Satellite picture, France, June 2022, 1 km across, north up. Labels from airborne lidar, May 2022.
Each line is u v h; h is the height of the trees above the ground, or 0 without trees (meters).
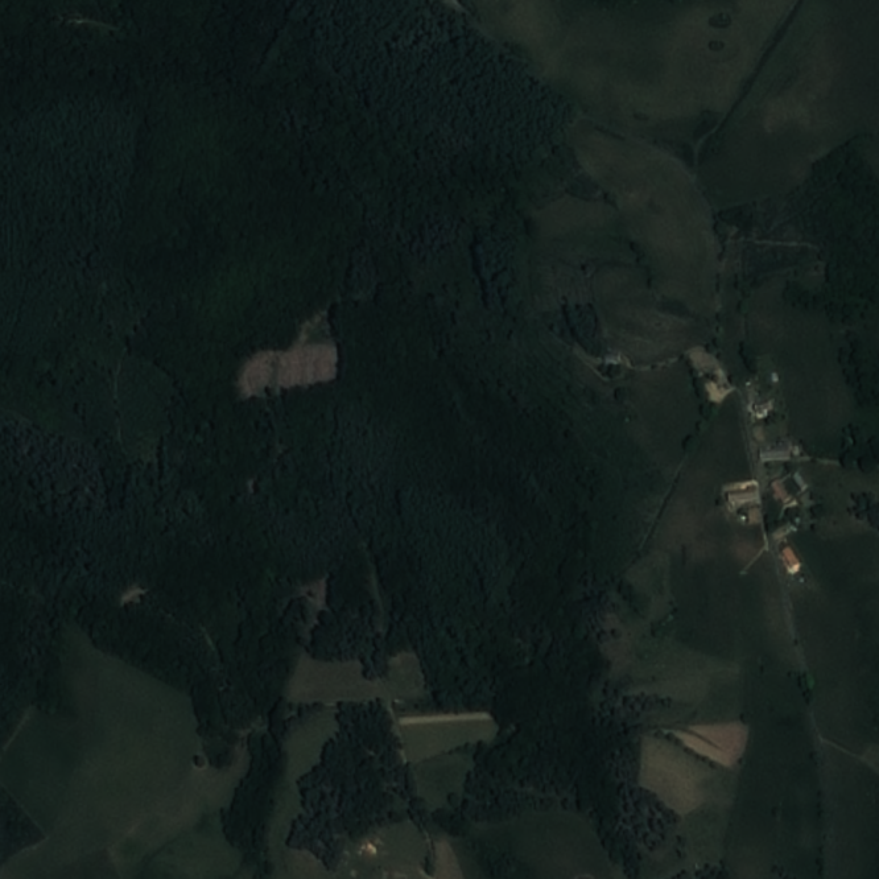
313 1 37
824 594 0
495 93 33
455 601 13
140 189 23
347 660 18
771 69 0
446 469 25
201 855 0
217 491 25
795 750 0
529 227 13
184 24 29
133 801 0
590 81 0
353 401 18
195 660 21
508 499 22
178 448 23
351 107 15
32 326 14
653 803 17
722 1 0
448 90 29
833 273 13
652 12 0
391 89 31
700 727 0
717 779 0
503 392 20
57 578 26
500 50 11
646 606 0
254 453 14
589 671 16
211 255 17
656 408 0
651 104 0
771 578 0
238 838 13
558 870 0
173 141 25
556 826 0
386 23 33
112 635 13
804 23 0
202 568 27
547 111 33
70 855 0
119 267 22
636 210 0
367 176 20
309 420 16
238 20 26
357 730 17
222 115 23
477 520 12
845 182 9
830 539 0
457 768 0
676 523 0
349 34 34
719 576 0
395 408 21
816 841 0
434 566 22
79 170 31
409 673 0
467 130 32
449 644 11
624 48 0
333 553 17
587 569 18
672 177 0
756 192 0
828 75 0
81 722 0
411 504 33
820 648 0
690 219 0
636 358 0
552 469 22
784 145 0
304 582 18
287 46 28
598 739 20
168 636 17
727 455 0
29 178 27
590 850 0
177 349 28
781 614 0
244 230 31
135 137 25
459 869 0
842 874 0
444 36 22
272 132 23
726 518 0
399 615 12
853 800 0
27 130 28
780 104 0
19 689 30
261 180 37
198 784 0
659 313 0
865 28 0
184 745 0
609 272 0
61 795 0
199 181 24
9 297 14
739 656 0
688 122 0
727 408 0
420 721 0
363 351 21
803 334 0
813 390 0
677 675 0
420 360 27
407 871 0
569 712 25
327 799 21
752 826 0
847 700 0
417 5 25
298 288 18
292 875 0
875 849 0
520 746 25
